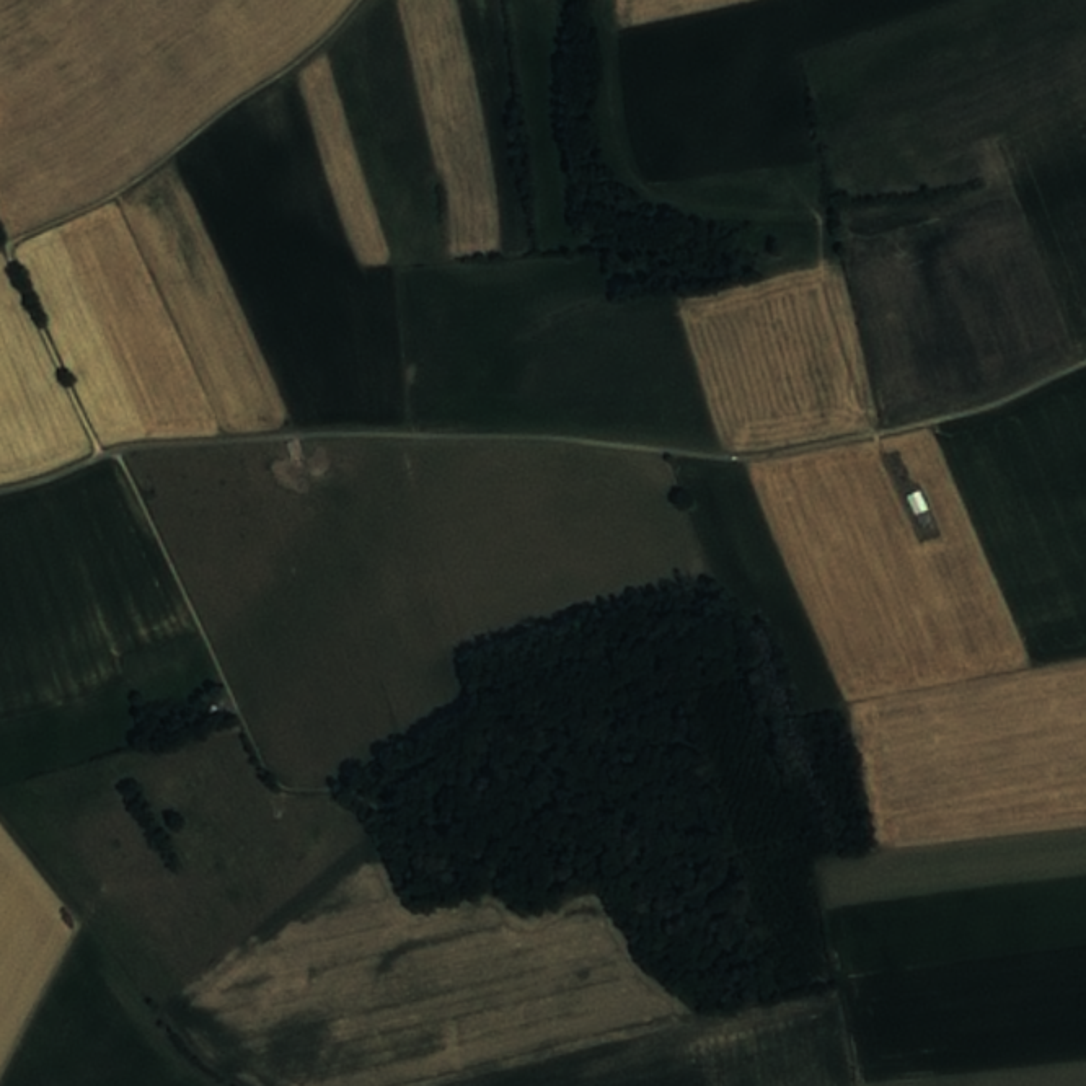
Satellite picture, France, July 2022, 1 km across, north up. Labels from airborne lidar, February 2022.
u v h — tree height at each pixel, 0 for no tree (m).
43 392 0
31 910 0
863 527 0
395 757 25
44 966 0
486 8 0
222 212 0
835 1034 0
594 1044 0
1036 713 0
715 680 25
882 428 0
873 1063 0
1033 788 0
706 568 0
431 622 0
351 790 23
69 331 0
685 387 0
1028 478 0
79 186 0
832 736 10
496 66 0
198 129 0
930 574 0
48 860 0
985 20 0
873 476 0
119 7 0
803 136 0
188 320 0
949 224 0
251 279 0
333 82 0
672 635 25
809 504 0
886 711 0
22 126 0
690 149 0
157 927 0
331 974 0
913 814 0
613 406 0
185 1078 0
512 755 25
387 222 0
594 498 0
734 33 0
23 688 0
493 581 0
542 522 0
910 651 0
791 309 0
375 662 0
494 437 0
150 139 0
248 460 0
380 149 0
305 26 0
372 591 0
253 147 0
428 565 0
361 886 0
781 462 0
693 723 27
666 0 0
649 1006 0
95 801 0
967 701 0
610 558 0
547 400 0
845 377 0
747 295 0
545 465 0
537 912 22
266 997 0
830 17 0
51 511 0
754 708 12
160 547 0
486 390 0
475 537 0
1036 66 0
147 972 0
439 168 0
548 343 0
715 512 0
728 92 0
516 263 0
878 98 0
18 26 0
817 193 0
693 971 24
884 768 0
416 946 0
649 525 0
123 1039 0
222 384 0
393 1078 0
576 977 0
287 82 0
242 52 0
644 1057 0
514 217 0
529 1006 0
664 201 0
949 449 0
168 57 0
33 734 0
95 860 0
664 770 23
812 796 11
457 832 27
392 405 0
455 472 0
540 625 19
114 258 0
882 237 0
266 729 0
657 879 27
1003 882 0
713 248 18
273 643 0
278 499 0
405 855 22
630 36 0
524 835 26
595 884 22
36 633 0
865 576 0
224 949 0
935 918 0
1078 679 0
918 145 0
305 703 0
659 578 0
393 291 0
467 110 0
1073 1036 0
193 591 0
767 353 0
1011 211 0
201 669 0
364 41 0
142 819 10
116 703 0
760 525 0
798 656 0
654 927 22
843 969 0
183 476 0
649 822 30
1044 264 0
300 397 0
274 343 0
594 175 16
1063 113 0
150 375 0
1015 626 0
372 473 0
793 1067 0
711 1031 0
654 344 0
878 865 0
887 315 0
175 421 0
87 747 0
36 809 0
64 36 0
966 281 0
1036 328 0
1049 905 0
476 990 0
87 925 0
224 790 0
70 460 0
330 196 0
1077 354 0
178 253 0
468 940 0
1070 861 0
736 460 0
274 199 0
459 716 22
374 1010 0
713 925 28
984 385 0
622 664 28
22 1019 0
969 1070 0
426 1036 0
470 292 0
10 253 0
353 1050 0
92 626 0
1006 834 0
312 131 0
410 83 0
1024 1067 0
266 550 0
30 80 0
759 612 0
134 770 0
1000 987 0
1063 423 0
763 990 25
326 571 0
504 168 0
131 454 0
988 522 0
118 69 0
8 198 0
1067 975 0
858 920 0
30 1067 0
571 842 23
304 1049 0
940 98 0
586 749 26
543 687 31
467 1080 0
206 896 0
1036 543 0
